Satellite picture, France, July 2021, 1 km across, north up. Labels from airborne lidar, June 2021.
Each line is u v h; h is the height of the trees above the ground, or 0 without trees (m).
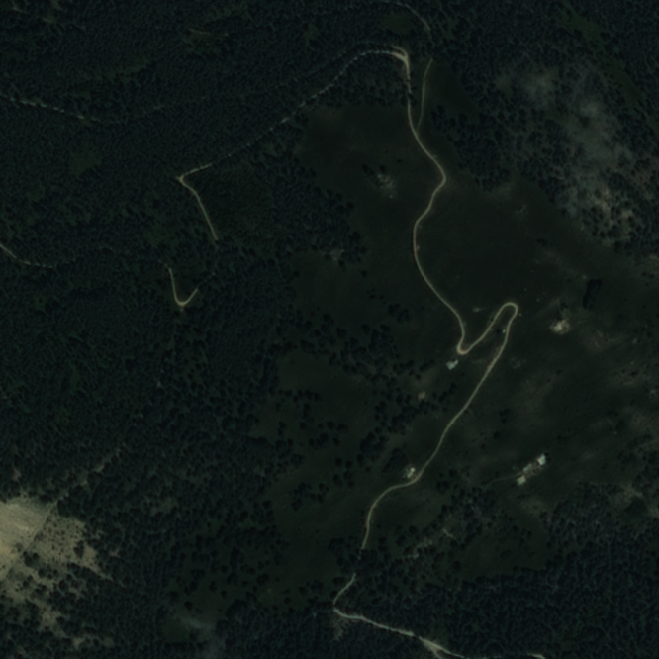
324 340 16
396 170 0
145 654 21
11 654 24
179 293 0
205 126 26
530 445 0
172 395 12
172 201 28
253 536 14
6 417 25
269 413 0
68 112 26
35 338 26
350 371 20
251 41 26
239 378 23
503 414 13
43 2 31
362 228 0
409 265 0
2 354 21
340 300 0
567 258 0
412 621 23
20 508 0
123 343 26
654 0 20
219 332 25
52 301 7
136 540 22
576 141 21
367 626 9
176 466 8
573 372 0
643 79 19
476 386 0
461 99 0
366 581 22
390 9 21
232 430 21
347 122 0
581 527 17
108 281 26
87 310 28
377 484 0
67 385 25
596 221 17
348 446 0
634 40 21
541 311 0
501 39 19
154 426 25
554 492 0
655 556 15
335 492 0
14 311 23
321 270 0
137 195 30
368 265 0
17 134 27
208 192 11
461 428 0
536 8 24
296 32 26
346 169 0
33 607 15
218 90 24
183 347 20
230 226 9
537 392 0
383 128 0
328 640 21
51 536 0
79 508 21
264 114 22
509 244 0
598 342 0
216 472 17
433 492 0
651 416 0
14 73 29
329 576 0
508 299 0
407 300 0
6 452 23
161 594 22
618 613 22
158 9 26
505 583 18
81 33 27
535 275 0
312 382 0
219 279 22
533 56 18
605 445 0
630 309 0
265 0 23
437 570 12
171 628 0
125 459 23
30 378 22
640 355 0
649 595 28
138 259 22
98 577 13
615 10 23
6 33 9
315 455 0
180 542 18
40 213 32
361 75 16
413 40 19
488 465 0
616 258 0
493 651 26
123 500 15
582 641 9
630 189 13
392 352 17
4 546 0
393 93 17
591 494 13
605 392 0
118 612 25
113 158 24
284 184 22
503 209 0
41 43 6
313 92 17
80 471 13
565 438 9
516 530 18
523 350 0
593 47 8
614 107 6
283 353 20
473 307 0
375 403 0
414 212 0
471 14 23
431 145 0
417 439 0
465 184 0
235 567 21
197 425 23
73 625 24
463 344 0
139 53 24
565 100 14
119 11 29
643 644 22
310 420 16
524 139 17
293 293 25
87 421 22
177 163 24
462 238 0
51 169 28
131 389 26
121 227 26
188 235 28
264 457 17
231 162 21
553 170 11
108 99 10
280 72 26
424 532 9
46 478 13
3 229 23
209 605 0
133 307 23
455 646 25
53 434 21
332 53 20
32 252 29
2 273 27
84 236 24
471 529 18
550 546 14
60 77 26
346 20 25
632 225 10
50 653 27
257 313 21
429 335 0
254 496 22
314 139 0
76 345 29
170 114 27
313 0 25
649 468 10
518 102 19
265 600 0
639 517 12
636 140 24
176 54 25
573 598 23
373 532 0
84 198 31
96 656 9
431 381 0
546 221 0
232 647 25
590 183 9
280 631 22
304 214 17
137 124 26
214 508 8
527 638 23
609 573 22
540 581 25
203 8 23
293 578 0
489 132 19
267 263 28
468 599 25
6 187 27
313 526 0
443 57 22
